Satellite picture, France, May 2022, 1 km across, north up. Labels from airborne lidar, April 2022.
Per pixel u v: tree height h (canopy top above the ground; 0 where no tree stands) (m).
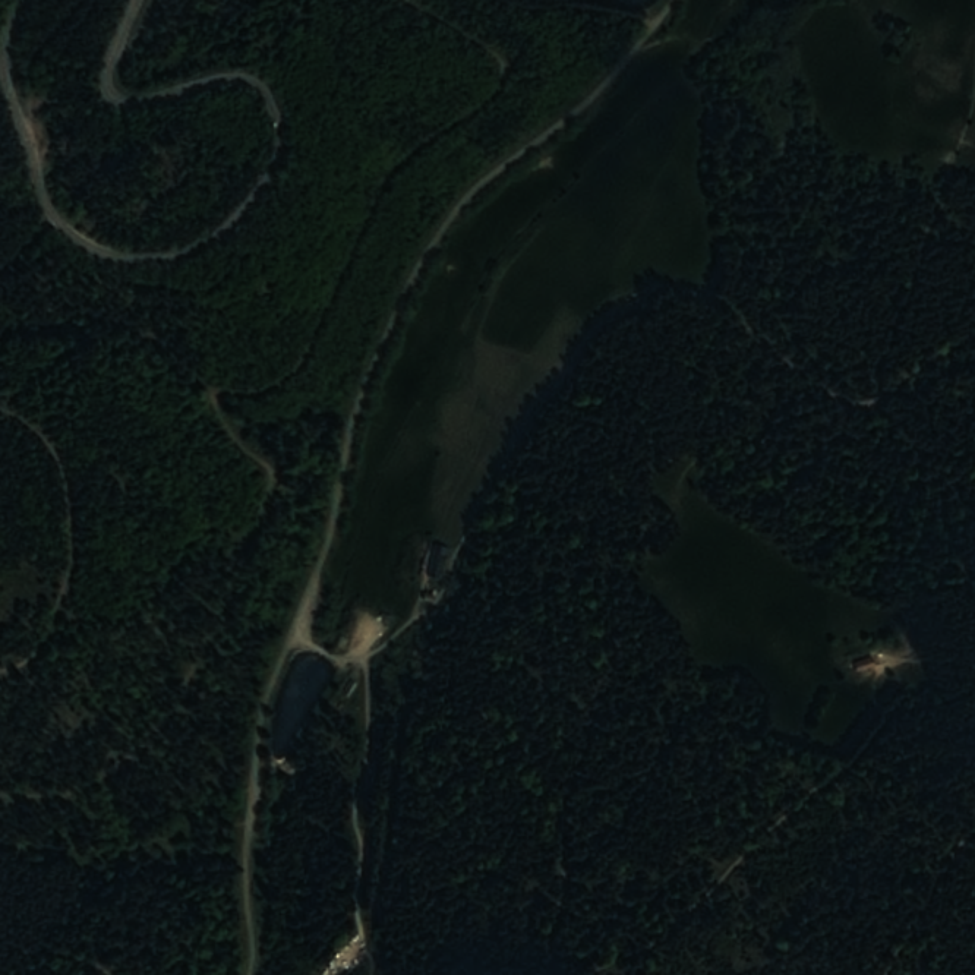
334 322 14
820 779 23
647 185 0
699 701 17
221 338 11
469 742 28
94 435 14
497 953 21
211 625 38
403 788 20
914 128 0
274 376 13
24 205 18
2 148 28
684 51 0
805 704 0
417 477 0
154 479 16
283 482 29
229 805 30
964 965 20
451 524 0
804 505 30
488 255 0
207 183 18
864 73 0
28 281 32
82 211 14
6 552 21
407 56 18
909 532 28
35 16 20
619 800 22
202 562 39
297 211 16
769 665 0
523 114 15
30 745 28
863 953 22
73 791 8
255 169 21
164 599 34
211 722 36
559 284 0
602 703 16
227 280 15
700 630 0
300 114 17
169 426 12
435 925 27
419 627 9
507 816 33
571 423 34
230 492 15
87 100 25
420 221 12
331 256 15
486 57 13
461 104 17
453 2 19
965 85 0
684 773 29
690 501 0
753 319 36
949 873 20
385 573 0
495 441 0
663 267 0
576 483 8
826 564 26
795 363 29
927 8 0
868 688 0
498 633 29
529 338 0
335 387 11
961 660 28
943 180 9
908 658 0
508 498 22
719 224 22
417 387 0
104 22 14
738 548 0
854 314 27
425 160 15
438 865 33
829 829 8
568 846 21
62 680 31
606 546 31
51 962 25
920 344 28
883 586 35
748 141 42
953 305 35
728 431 32
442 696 24
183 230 22
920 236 25
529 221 0
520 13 18
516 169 12
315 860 14
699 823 29
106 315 36
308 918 25
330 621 18
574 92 14
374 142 12
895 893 26
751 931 8
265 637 37
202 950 22
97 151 11
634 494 25
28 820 32
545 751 24
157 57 16
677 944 21
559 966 25
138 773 31
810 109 19
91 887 13
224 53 17
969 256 22
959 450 26
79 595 16
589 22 19
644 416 27
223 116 13
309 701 0
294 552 30
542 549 31
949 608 31
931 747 29
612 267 0
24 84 18
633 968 22
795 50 15
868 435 35
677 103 0
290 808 21
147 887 33
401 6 20
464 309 0
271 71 17
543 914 26
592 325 0
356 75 22
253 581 29
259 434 9
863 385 27
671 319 43
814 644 0
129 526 15
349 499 15
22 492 14
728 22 0
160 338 36
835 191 26
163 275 18
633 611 29
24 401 8
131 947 32
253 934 0
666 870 21
